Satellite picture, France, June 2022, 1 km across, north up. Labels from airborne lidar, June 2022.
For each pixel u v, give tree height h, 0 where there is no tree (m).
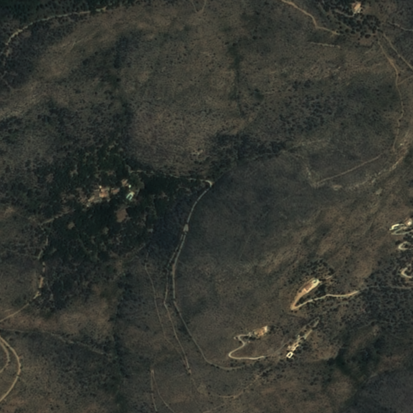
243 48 0
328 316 7
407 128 0
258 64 0
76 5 14
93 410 0
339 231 0
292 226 0
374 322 10
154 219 13
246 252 0
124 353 12
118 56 11
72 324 0
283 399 0
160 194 12
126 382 0
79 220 17
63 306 11
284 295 0
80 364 10
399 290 9
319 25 0
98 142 10
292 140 9
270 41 0
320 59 0
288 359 7
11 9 10
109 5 7
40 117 14
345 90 0
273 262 0
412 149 0
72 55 0
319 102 9
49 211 15
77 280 12
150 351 0
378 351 10
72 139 20
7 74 8
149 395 0
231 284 0
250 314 0
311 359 0
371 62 0
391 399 0
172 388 0
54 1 7
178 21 0
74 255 12
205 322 0
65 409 0
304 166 0
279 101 0
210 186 12
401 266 9
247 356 0
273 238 0
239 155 14
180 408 0
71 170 12
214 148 10
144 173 9
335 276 6
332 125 0
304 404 0
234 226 0
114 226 15
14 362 0
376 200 0
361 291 8
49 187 10
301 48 0
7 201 9
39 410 0
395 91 0
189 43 0
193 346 0
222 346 0
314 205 0
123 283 15
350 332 7
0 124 8
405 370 0
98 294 0
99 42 0
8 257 11
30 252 9
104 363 9
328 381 10
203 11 0
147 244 11
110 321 8
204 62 0
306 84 11
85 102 7
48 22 7
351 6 6
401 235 0
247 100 0
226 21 0
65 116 8
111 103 10
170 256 8
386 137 0
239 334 0
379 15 0
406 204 0
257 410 0
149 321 0
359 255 0
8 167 9
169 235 12
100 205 11
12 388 0
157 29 0
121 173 15
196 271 0
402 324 10
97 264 13
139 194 11
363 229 0
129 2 7
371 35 8
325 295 8
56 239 6
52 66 0
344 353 14
